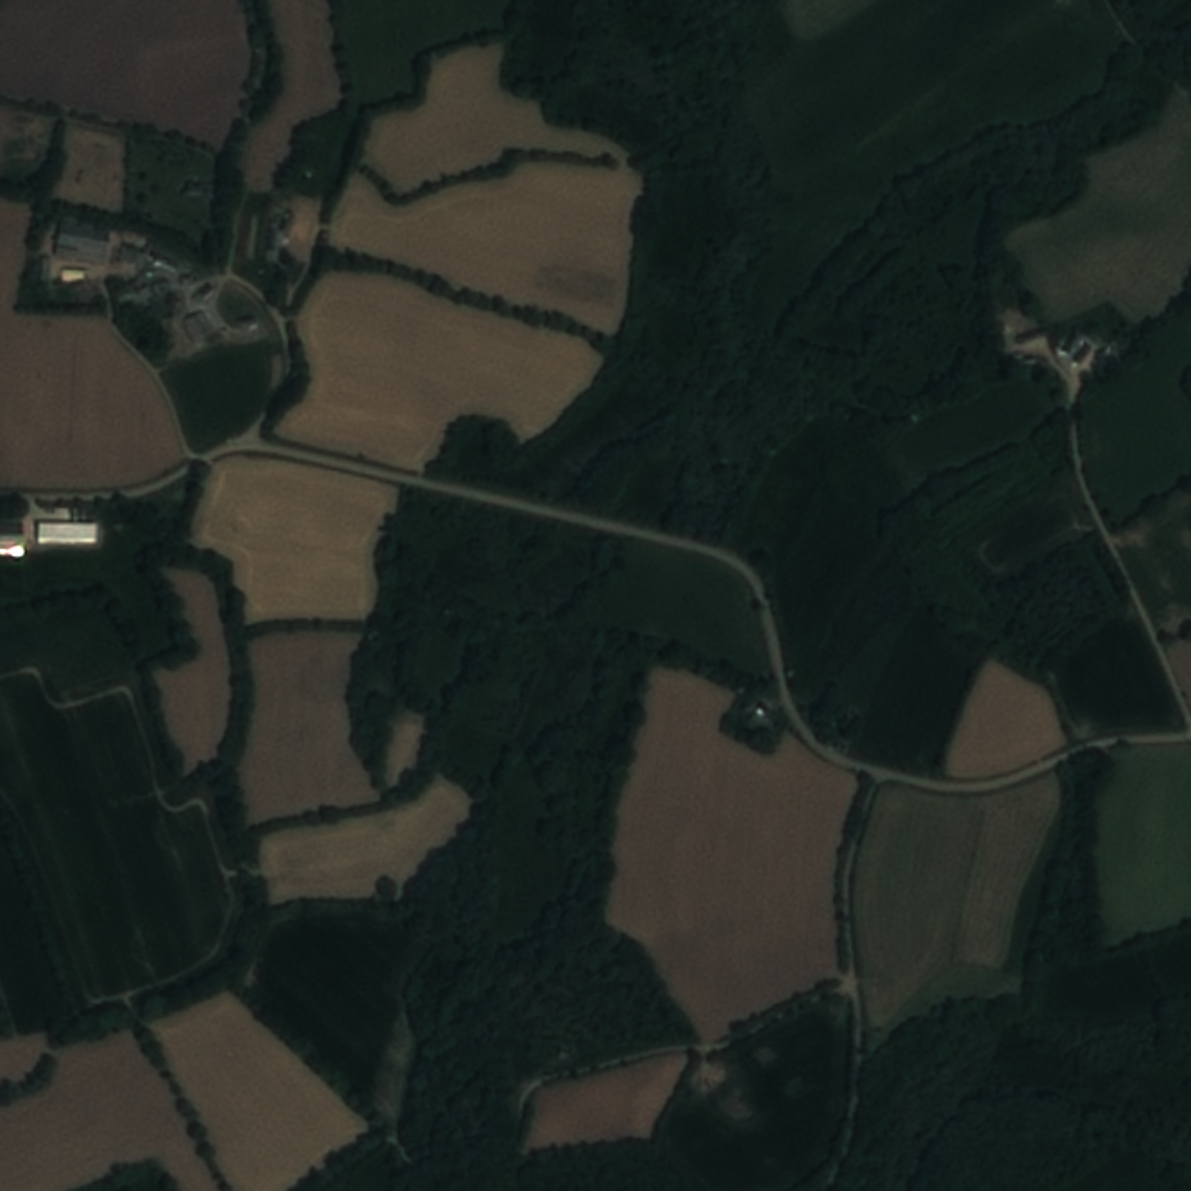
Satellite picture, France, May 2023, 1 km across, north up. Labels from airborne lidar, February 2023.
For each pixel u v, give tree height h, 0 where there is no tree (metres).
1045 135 10
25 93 0
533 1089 0
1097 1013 0
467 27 0
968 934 0
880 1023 0
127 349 0
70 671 0
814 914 0
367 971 0
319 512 0
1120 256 0
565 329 11
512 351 0
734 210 6
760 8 7
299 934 0
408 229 0
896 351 6
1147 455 0
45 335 0
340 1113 0
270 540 0
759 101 0
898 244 9
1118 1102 0
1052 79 0
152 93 0
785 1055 0
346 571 0
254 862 5
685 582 0
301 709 0
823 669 0
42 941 10
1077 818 17
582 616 14
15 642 0
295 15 0
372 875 0
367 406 0
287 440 0
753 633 0
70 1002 6
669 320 0
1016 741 0
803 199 0
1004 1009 17
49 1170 0
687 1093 6
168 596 13
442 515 7
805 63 0
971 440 0
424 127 0
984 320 18
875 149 0
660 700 0
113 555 0
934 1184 12
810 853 0
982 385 11
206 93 0
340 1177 10
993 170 13
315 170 0
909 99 0
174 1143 0
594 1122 0
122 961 0
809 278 0
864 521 0
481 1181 20
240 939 7
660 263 0
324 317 0
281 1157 0
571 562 0
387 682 0
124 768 0
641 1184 14
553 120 9
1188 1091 7
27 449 0
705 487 7
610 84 8
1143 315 0
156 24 0
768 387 14
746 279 9
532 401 0
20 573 0
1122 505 0
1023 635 17
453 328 0
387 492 0
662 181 8
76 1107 0
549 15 0
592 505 13
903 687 0
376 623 13
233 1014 0
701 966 0
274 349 0
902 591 0
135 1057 0
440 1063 18
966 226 0
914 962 0
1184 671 0
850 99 0
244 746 8
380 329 0
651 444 18
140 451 0
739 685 13
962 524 8
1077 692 0
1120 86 13
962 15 0
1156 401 0
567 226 0
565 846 14
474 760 0
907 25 0
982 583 7
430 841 0
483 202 0
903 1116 9
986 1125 14
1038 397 0
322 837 0
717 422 11
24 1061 0
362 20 0
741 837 0
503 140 0
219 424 0
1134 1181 0
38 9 0
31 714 0
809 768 0
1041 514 0
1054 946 10
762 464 16
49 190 14
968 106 0
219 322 0
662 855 0
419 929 24
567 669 0
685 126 10
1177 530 0
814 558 0
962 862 0
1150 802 0
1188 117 0
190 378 0
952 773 0
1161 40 6
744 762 0
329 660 0
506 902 0
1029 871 0
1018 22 0
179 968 0
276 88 14
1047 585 17
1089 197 0
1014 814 0
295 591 0
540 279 0
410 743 0
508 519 5
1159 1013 14
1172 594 0
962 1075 10
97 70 0
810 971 0
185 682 0
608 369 9
